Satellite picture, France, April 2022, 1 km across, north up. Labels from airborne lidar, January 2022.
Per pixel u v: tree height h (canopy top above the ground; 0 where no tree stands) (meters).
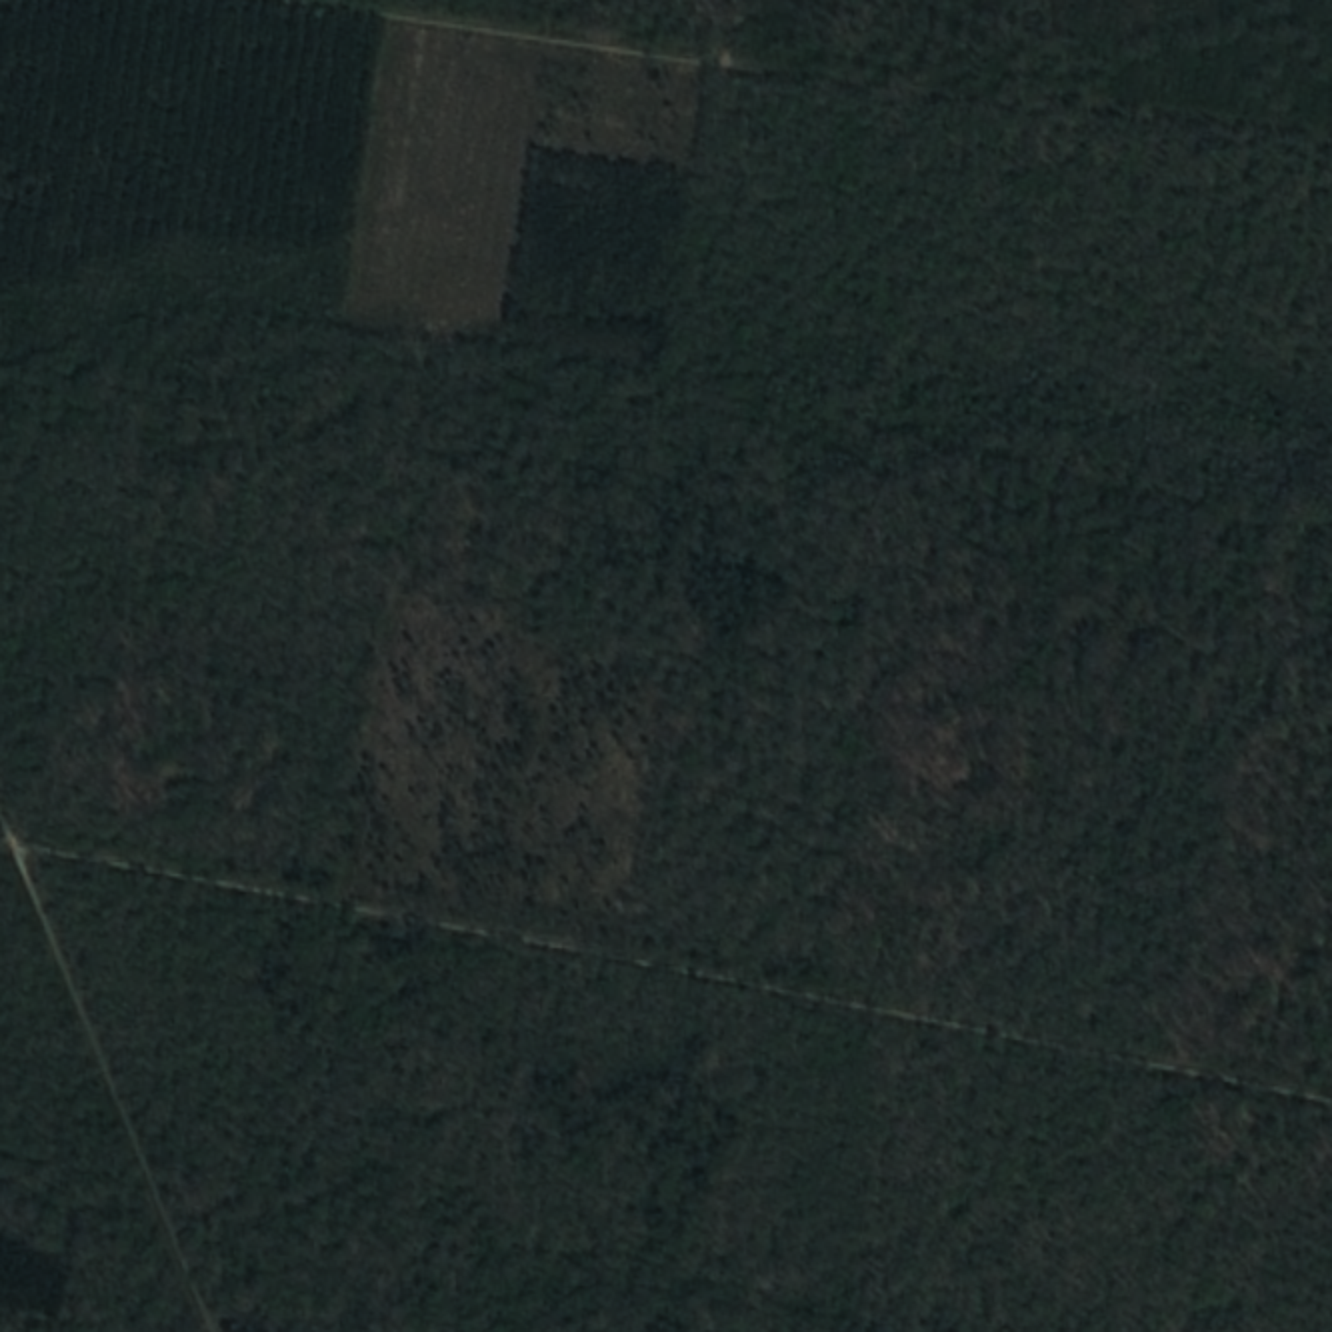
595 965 19
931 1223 19
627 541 28
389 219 0
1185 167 21
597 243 17
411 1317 27
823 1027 22
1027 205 21
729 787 23
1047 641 23
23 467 24
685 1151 25
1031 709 25
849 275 23
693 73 0
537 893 23
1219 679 23
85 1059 20
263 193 14
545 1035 19
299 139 15
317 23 17
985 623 28
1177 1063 20
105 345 19
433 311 0
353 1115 19
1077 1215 22
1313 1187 19
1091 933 21
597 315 15
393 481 25
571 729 24
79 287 15
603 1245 22
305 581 21
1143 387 26
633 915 24
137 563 21
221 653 24
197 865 18
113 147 14
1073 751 27
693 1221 20
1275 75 23
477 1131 20
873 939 23
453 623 23
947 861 21
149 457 22
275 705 26
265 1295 25
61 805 23
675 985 20
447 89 0
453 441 25
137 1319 21
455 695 22
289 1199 21
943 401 26
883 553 22
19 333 14
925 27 23
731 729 19
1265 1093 17
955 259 19
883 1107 22
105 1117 22
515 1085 19
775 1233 21
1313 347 24
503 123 0
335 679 22
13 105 15
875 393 25
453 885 23
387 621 18
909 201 22
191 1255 22
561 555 21
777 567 24
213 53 12
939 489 26
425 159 0
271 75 14
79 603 21
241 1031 21
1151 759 23
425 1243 26
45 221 13
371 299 0
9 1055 21
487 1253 18
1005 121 19
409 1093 20
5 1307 17
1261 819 24
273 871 20
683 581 22
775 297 20
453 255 0
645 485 27
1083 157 18
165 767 24
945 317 23
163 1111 20
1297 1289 20
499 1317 23
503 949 17
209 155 14
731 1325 25
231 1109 24
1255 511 22
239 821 22
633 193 18
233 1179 24
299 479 24
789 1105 21
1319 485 19
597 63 0
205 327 27
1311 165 17
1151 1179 21
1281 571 26
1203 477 22
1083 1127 20
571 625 24
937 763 26
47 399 24
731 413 23
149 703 28
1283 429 8
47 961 18
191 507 23
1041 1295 20
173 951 19
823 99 21
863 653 24
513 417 25
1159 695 23
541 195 17
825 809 23
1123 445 23
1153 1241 21
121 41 15
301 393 25
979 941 21
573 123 0
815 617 27
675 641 25
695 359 21
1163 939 24
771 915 19
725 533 25
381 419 26
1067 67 20
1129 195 22
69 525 19
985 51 19
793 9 26
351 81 15
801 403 23
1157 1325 21
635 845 0
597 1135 21
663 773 20
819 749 24
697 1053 21
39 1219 26
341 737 20
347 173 17
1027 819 25
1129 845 21
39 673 24
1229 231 23
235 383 30
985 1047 21
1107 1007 22
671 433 21
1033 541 21
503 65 0
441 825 0
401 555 24
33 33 15
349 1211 27
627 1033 18
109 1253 22
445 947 23
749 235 24
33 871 19
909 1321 23
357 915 16
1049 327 22
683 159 0
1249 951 23
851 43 23
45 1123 22
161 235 16
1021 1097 21
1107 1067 18
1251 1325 17
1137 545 25
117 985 21
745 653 25
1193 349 21
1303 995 24
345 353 26
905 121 21
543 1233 24
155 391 24
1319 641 20
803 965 20
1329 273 21
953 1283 18
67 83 15
